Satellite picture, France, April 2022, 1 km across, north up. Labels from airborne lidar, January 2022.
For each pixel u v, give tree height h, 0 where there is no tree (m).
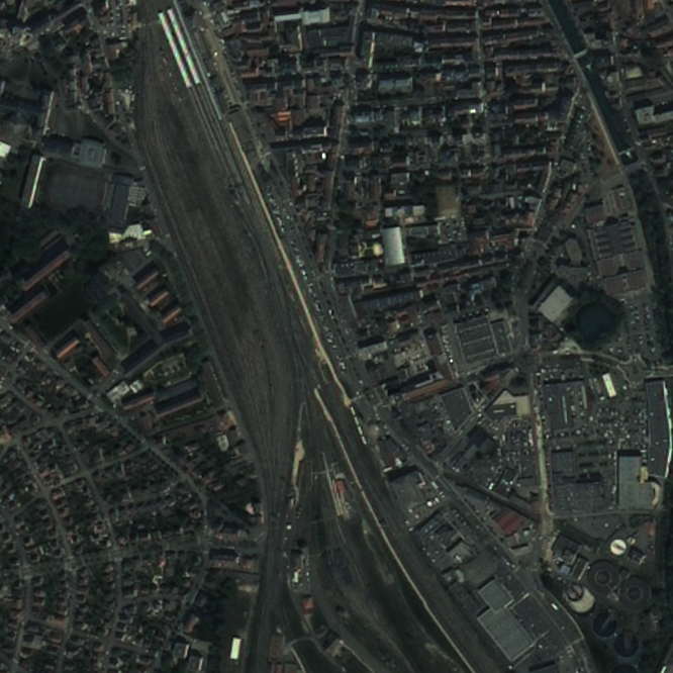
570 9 8
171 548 0
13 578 11
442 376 0
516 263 16
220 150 0
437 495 0
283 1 0
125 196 0
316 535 0
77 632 0
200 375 16
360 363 0
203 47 0
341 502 0
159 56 0
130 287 0
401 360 0
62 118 0
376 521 0
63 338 0
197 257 0
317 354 0
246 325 0
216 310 0
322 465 0
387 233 0
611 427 0
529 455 0
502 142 7
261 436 0
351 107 0
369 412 0
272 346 0
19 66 0
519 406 0
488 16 0
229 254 0
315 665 0
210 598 13
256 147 0
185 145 0
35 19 0
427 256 0
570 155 0
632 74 0
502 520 0
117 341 12
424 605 0
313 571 0
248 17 0
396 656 0
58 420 0
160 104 0
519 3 0
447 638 0
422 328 0
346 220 19
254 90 0
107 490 6
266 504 0
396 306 6
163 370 0
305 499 0
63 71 12
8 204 23
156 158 0
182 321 0
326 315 0
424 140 0
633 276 0
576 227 0
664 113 0
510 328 0
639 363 0
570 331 16
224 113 0
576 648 0
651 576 0
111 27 0
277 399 0
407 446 0
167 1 0
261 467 0
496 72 0
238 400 0
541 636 0
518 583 0
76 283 0
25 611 0
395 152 11
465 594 0
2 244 0
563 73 13
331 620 0
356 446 0
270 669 7
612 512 0
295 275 0
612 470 0
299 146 0
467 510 0
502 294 18
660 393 0
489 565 0
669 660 0
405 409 0
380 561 0
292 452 0
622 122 16
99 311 14
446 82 0
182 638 0
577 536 0
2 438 0
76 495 7
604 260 0
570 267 0
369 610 0
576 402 0
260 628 0
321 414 0
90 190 0
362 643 0
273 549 0
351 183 0
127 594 0
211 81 0
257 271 0
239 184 0
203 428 8
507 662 0
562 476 0
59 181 0
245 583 0
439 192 0
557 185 7
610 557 0
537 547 0
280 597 0
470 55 0
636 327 0
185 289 12
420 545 0
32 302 0
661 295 11
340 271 0
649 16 0
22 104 0
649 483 0
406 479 0
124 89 0
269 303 0
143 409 0
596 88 0
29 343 0
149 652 0
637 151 0
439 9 0
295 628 0
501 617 0
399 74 0
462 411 0
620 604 0
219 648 6
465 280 0
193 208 0
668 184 19
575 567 0
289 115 0
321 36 0
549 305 0
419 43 0
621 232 0
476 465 0
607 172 0
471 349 0
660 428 0
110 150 0
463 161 0
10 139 0
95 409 0
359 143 0
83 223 20
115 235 0
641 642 0
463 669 0
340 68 0
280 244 0
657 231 16
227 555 0
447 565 0
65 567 0
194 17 0
